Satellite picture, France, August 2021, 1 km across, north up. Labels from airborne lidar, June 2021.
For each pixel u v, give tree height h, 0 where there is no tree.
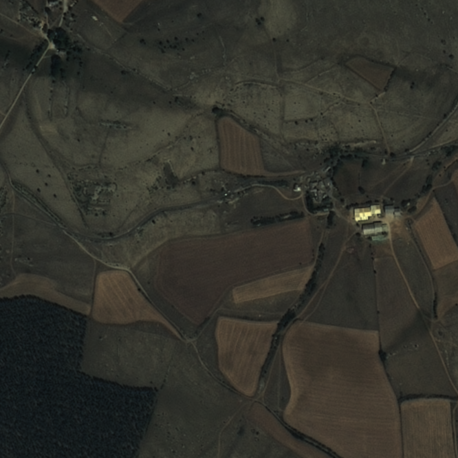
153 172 0
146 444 0
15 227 0
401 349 0
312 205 7
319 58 0
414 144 0
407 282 0
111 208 0
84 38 0
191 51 0
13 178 0
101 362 0
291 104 0
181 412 0
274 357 0
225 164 0
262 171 0
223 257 0
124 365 0
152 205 0
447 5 0
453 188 0
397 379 0
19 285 0
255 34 0
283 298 0
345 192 0
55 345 14
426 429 0
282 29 0
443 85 0
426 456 0
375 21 0
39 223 0
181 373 0
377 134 0
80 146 0
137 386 0
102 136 0
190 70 0
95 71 0
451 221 0
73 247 0
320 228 0
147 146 0
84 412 14
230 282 0
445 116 9
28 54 0
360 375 0
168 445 0
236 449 0
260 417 0
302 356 0
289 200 0
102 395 15
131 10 0
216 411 0
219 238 0
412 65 0
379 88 0
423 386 0
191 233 0
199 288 0
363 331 0
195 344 0
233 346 0
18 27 0
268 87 0
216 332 0
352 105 0
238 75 0
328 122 0
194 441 0
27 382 15
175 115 0
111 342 0
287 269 0
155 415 0
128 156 0
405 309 0
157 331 0
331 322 0
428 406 0
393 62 0
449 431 0
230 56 0
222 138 0
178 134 0
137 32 0
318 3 0
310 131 0
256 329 0
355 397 0
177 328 0
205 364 0
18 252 0
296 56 0
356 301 0
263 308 0
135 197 0
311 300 0
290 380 0
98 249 0
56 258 0
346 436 0
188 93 0
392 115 0
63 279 0
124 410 15
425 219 0
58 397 14
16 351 16
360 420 0
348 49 0
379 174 0
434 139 0
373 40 0
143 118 0
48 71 0
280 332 0
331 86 0
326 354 0
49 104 0
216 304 0
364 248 0
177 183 0
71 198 0
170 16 0
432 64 0
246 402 0
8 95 0
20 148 0
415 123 0
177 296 0
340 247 0
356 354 0
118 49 0
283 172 0
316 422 0
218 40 0
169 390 0
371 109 0
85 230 0
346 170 0
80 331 11
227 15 0
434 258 0
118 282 0
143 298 0
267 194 0
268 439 0
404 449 0
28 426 11
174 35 0
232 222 0
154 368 0
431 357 0
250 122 0
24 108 0
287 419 0
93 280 0
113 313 0
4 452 9
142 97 0
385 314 0
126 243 0
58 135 0
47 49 0
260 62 0
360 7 0
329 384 0
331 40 0
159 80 0
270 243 0
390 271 0
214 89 0
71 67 0
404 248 0
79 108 0
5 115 0
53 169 0
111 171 0
